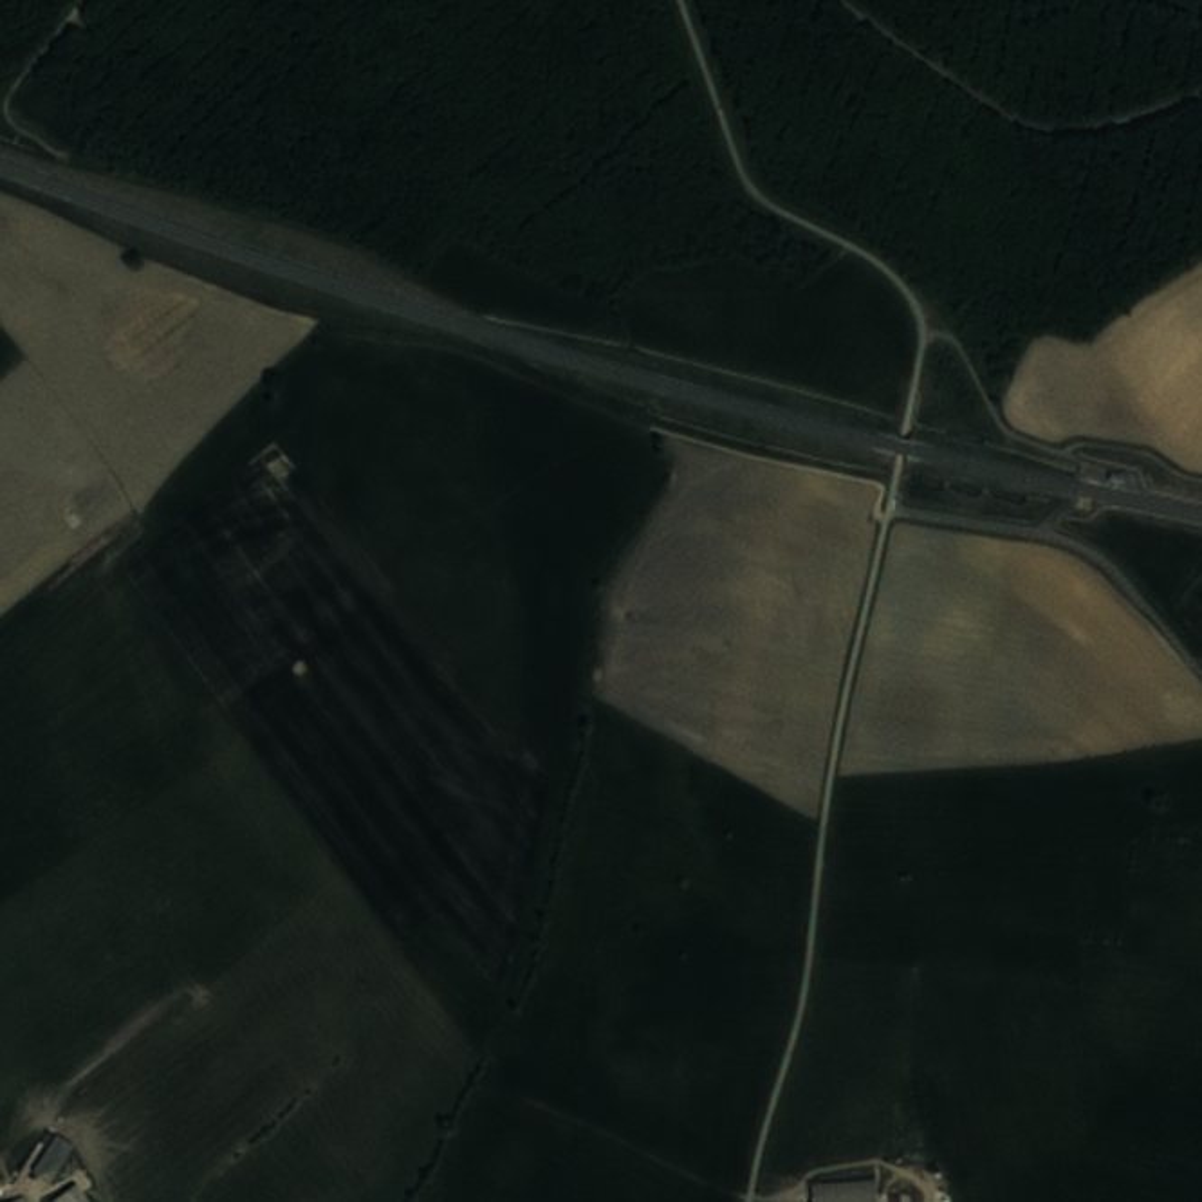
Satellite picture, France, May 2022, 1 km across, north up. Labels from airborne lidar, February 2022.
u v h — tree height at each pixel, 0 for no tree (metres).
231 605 0
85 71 10
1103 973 0
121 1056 0
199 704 0
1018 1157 0
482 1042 0
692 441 0
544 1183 0
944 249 9
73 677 0
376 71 11
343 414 0
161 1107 0
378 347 0
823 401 0
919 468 0
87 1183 0
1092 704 0
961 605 0
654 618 0
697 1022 0
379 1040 0
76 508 0
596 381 0
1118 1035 0
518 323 0
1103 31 13
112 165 10
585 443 0
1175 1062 0
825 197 12
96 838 0
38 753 0
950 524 0
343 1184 0
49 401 0
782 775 0
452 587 0
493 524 0
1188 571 0
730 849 0
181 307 0
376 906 0
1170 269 14
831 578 0
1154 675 0
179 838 0
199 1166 0
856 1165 0
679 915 0
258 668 0
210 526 0
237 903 0
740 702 0
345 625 0
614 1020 0
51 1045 0
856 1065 0
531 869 0
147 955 0
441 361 0
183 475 0
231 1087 0
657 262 10
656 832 0
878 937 0
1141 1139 0
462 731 0
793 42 15
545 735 0
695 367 0
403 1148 0
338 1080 0
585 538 0
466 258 0
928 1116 0
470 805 0
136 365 0
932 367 0
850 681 0
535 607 0
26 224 0
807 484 0
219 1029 0
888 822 0
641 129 10
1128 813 0
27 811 0
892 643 0
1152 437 0
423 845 0
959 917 0
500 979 0
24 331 0
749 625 0
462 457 0
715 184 11
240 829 0
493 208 10
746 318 0
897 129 8
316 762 0
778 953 0
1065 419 0
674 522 0
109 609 0
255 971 0
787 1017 0
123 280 0
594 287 16
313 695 0
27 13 13
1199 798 0
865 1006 0
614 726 0
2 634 0
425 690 0
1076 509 0
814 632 0
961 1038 0
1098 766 0
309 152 13
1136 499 0
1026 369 0
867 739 0
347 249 0
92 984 0
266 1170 0
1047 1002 0
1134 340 0
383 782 0
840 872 0
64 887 0
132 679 0
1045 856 0
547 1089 0
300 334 0
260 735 0
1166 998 0
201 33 10
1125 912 0
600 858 0
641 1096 0
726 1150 0
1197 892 0
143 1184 0
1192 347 0
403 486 0
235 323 0
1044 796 0
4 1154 0
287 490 0
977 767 0
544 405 0
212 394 0
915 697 0
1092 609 0
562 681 0
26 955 0
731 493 0
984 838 0
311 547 0
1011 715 0
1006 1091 0
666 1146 0
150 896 0
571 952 0
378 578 0
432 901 0
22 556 0
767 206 0
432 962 0
